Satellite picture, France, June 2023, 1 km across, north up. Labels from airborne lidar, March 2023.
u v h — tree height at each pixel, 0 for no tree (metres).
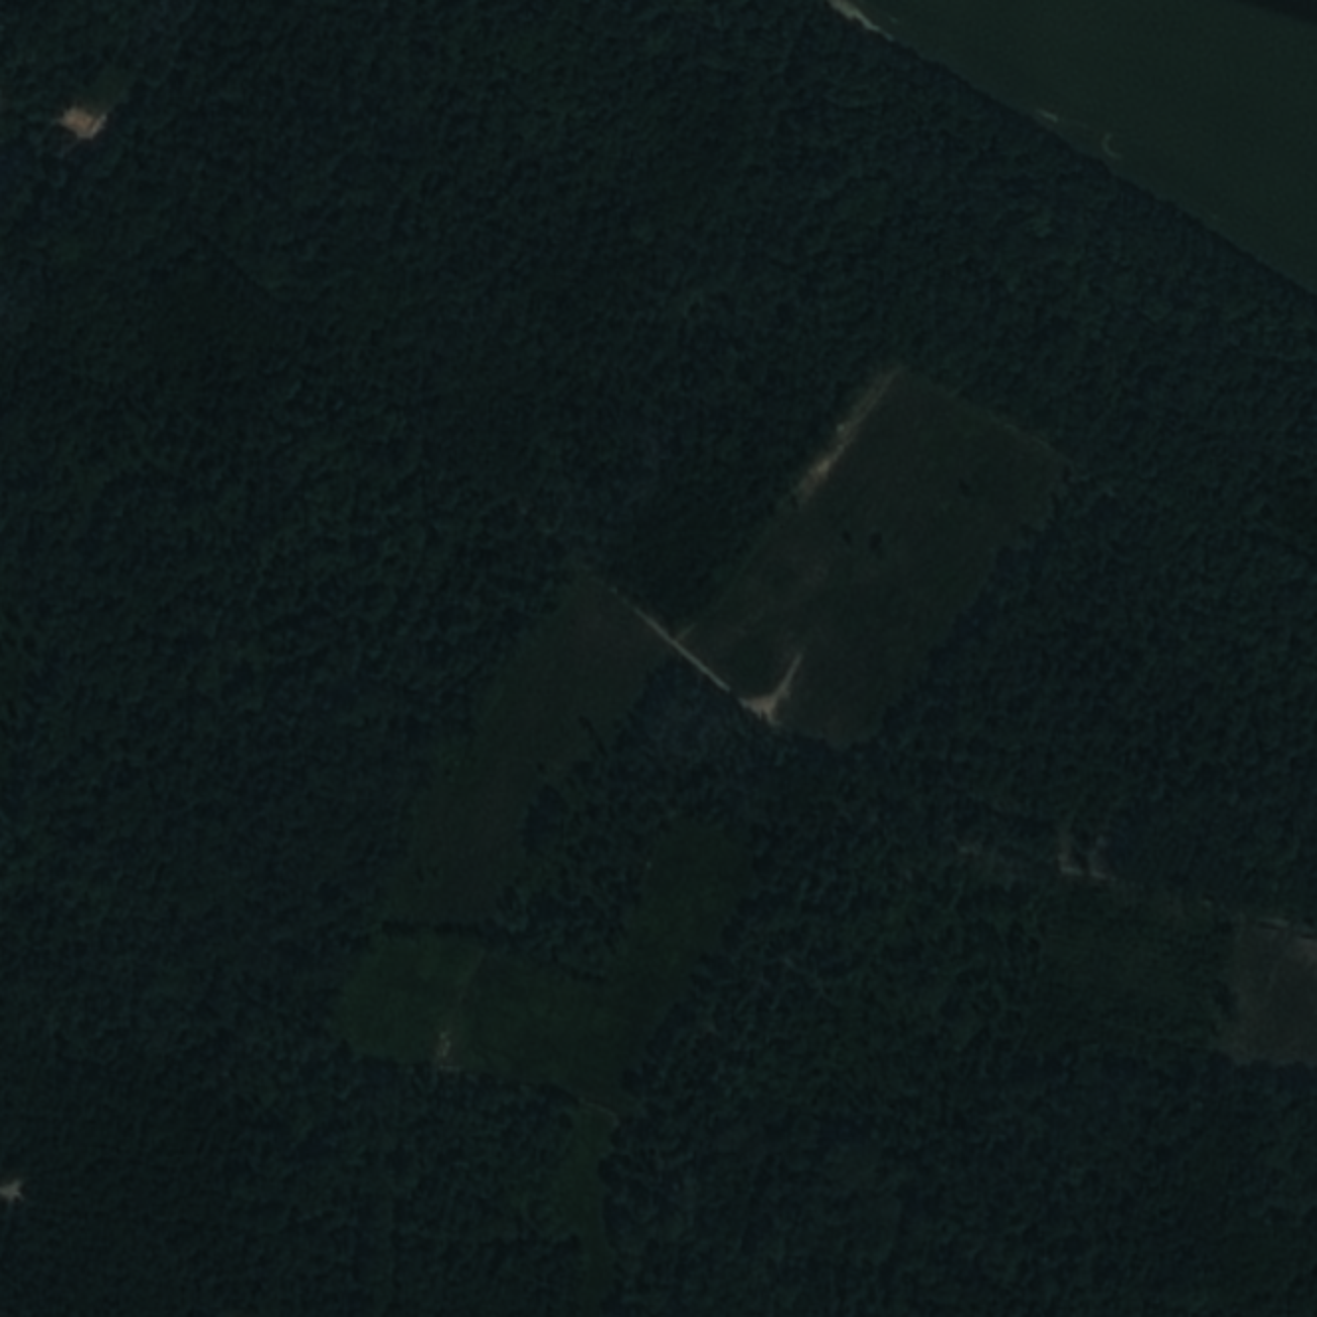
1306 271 0
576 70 26
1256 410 24
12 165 28
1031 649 25
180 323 22
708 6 29
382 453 25
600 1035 0
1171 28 0
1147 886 29
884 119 26
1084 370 19
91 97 0
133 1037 23
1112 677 22
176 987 27
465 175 21
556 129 20
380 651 23
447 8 22
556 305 21
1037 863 30
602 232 17
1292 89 0
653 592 23
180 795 23
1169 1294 17
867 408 0
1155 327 24
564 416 24
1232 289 28
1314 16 0
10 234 21
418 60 24
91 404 18
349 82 27
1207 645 22
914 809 26
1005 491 0
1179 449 22
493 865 0
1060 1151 26
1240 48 0
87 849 23
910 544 0
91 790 19
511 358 24
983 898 17
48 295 20
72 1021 19
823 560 0
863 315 23
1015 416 25
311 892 29
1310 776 24
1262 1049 0
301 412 22
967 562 0
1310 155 0
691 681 24
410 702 23
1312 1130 23
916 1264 26
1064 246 28
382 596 22
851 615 0
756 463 21
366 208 26
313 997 29
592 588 0
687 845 0
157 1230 15
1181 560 25
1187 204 0
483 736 0
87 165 22
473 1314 15
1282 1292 9
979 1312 24
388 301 24
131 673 25
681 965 0
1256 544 19
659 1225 27
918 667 0
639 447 26
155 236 23
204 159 20
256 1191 16
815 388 24
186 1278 15
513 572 7
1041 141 21
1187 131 0
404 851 22
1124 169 0
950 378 26
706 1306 24
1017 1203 28
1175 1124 13
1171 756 25
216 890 28
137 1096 22
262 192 27
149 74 22
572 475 23
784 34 28
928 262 24
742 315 25
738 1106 23
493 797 0
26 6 22
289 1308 17
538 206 17
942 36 0
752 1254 25
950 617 0
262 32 26
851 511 0
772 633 0
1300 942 0
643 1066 0
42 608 23
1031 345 25
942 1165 22
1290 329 22
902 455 0
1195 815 23
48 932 20
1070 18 0
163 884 25
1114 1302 20
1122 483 22
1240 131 0
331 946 28
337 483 23
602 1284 0
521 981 0
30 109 20
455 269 21
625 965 0
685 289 25
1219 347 20
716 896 0
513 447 26
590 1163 0
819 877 19
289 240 29
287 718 17
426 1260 18
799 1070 22
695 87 26
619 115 24
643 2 27
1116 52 0
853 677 0
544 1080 0
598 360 24
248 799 26
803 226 28
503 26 23
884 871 21
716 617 0
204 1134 13
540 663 0
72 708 25
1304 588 24
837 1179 29
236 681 25
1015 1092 28
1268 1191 24
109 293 27
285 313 30
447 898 0
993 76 0
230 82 28
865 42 22
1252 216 0
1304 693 19
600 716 0
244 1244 19
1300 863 23
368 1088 24
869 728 0
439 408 28
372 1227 29
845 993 25
